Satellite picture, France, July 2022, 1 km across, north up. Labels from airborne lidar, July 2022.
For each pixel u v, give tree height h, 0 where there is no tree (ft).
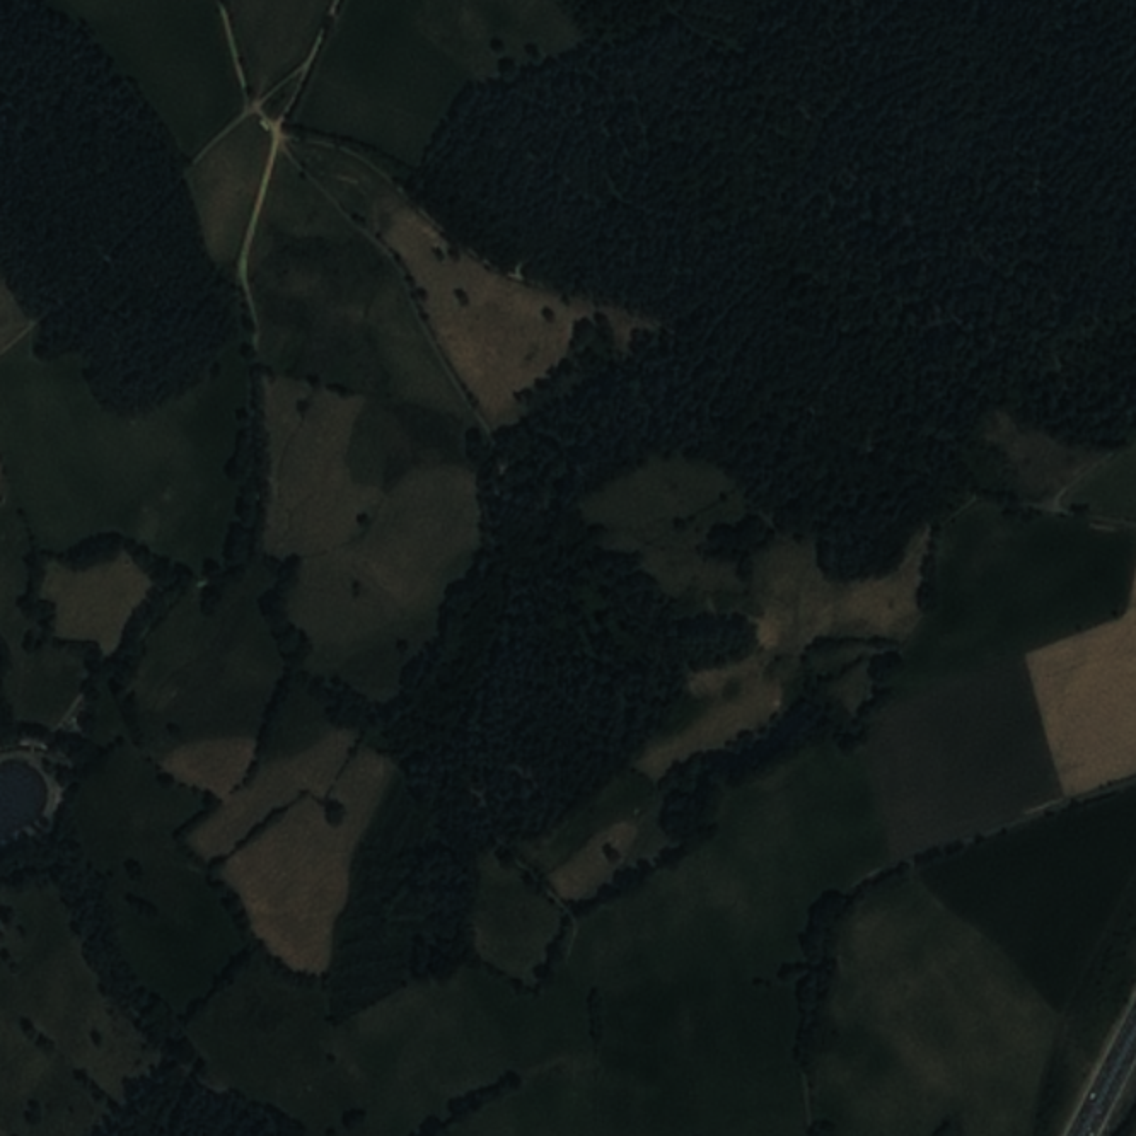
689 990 0
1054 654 0
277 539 0
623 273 79
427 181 24
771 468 49
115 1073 0
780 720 19
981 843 32
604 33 23
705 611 0
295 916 0
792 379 56
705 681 0
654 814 0
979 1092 0
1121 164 66
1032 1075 0
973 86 84
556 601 28
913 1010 0
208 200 0
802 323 58
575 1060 0
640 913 0
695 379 60
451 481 0
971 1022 0
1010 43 87
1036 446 0
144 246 52
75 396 0
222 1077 0
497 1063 0
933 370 81
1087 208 62
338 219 0
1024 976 0
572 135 64
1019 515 25
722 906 0
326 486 0
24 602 43
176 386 58
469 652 21
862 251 62
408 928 0
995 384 80
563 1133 0
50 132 53
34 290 61
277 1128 40
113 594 0
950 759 0
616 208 79
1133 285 80
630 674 49
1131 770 0
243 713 0
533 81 55
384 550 0
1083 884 0
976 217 62
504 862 52
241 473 70
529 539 63
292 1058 0
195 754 0
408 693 41
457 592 56
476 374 0
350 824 0
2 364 0
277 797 0
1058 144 75
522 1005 0
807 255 45
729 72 68
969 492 32
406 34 0
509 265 31
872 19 55
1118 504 0
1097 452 26
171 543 0
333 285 0
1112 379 50
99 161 62
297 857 0
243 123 0
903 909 0
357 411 0
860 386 51
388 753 19
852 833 0
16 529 0
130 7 0
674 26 71
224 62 0
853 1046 0
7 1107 0
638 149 65
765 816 0
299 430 0
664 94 72
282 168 0
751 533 49
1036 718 0
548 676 74
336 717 48
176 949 0
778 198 31
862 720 27
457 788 80
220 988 42
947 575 0
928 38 71
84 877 61
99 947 52
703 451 67
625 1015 0
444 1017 0
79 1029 0
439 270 0
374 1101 0
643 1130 0
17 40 67
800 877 0
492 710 81
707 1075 0
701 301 38
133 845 0
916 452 50
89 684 37
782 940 0
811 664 22
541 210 58
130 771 0
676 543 0
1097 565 0
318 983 20
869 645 23
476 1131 0
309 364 0
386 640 0
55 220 63
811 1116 0
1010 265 78
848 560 70
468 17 0
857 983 0
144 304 67
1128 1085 0
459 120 49
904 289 69
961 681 0
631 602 53
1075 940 0
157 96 0
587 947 0
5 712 52
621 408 82
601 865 0
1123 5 84
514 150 57
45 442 0
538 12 0
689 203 54
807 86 64
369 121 0
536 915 0
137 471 0
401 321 0
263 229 0
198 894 0
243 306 26
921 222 75
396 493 0
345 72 0
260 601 0
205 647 0
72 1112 30
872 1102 0
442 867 72
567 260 49
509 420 0
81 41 57
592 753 74
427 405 0
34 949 0
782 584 0
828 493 46
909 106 85
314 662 0
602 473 59
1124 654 0
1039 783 0
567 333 0
